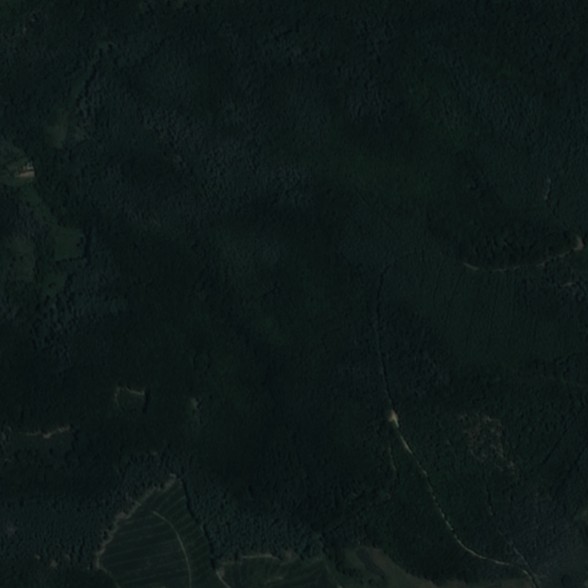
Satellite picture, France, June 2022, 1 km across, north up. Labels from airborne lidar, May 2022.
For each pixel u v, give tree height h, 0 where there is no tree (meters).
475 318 13
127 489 16
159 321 22
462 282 13
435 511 7
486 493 7
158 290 24
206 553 0
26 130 24
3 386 30
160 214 8
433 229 23
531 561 9
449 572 12
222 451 22
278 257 15
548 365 13
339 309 20
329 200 21
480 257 19
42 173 20
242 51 24
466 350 13
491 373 7
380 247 15
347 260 15
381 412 16
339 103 28
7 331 22
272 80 25
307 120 19
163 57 22
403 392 17
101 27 26
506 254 20
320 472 21
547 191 9
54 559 16
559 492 12
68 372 20
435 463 10
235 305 24
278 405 15
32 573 14
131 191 18
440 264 14
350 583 0
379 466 16
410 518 8
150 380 24
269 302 24
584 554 0
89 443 13
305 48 14
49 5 11
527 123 28
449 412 15
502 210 15
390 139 25
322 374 18
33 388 29
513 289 17
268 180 19
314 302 25
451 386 11
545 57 23
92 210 30
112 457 15
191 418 13
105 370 27
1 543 19
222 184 14
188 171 12
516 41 29
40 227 23
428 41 25
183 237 16
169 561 0
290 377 25
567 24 20
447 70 27
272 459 26
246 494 14
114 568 0
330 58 15
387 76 24
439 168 21
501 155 13
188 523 0
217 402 21
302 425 20
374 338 20
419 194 24
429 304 12
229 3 15
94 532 19
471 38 27
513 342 14
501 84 23
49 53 16
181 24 22
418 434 9
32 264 0
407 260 13
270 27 15
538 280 14
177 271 25
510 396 8
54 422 27
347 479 23
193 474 26
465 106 17
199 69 23
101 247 21
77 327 14
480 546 13
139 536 0
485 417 7
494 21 25
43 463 14
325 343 22
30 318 8
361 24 26
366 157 20
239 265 12
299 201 33
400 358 12
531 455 13
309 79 24
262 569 0
